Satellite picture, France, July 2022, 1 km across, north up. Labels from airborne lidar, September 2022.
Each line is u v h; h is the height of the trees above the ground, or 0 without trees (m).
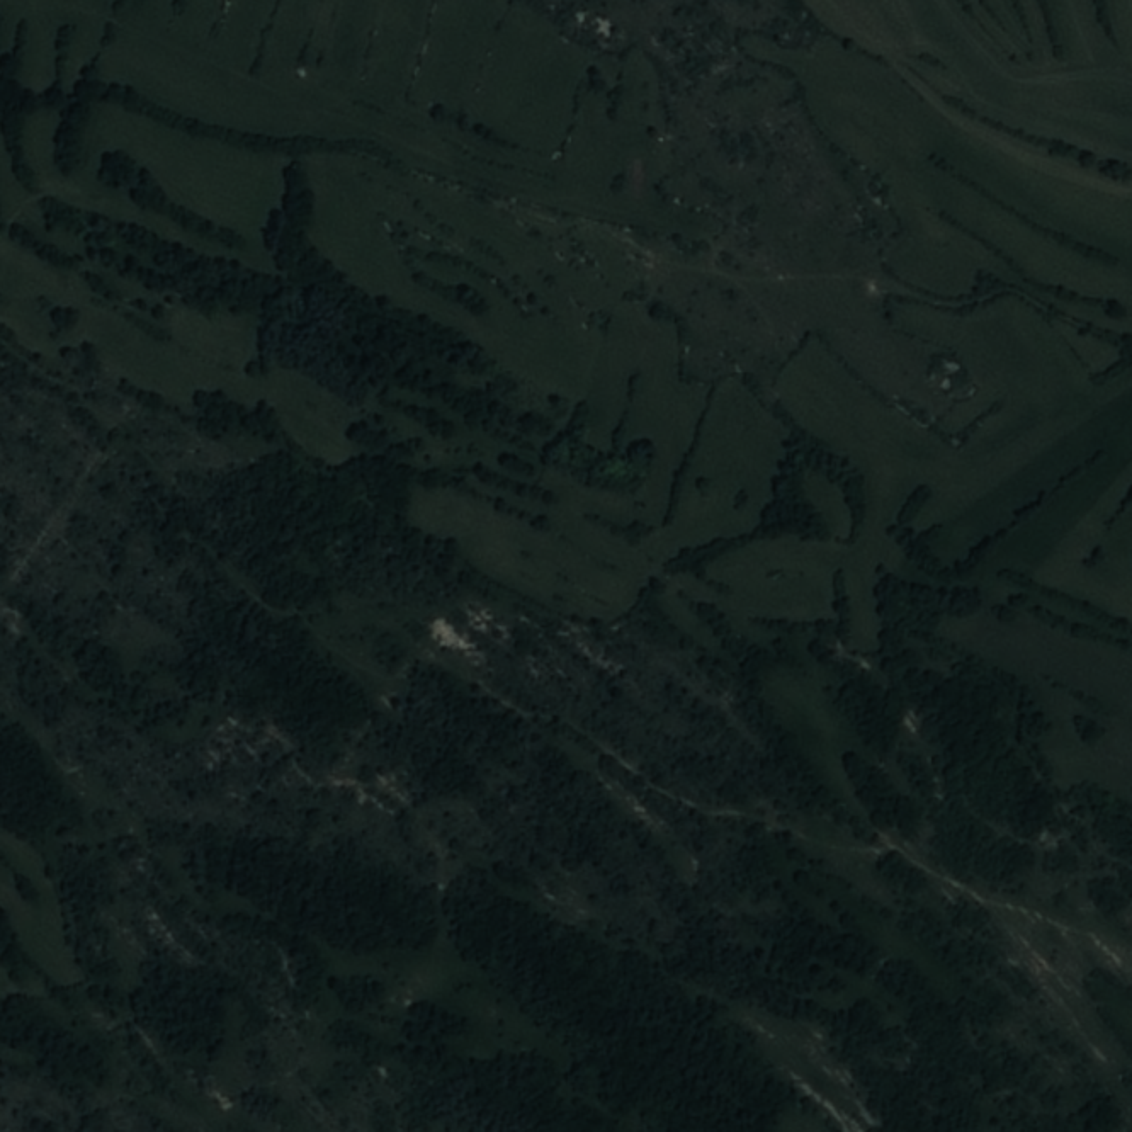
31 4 0
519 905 8
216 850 11
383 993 15
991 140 0
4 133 8
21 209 0
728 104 0
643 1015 14
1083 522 0
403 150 0
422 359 9
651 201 0
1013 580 6
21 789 18
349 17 0
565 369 0
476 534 0
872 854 0
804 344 6
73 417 8
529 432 15
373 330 12
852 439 0
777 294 0
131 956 0
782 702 0
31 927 0
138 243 18
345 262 0
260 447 0
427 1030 10
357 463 11
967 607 13
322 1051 0
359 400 17
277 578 8
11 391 7
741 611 0
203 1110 0
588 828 9
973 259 0
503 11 0
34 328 0
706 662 10
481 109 0
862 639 0
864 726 7
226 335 0
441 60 0
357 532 11
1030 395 0
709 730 6
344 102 0
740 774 8
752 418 0
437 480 9
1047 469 0
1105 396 0
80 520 10
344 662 0
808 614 0
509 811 9
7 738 6
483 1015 0
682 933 9
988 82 0
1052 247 0
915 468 0
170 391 0
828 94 0
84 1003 0
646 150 0
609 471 15
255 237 0
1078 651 0
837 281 0
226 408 12
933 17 0
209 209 0
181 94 0
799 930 11
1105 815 9
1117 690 0
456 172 0
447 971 0
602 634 9
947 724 7
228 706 8
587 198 0
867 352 0
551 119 0
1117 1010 0
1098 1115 9
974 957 6
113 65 0
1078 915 0
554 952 12
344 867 11
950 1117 8
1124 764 0
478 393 6
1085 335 12
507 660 6
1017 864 8
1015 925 0
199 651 11
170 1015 15
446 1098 10
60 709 6
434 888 6
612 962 8
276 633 11
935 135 0
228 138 7
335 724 8
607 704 10
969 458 0
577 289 0
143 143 0
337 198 0
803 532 7
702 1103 11
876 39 0
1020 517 13
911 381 0
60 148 7
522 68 0
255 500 7
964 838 8
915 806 8
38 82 0
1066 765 0
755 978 12
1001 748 11
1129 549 0
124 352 0
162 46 0
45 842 7
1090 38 0
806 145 0
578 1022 10
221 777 9
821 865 6
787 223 0
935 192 0
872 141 0
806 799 7
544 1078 11
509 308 0
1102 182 0
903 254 0
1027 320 0
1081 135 0
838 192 0
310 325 15
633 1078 9
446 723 8
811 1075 0
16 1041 10
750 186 0
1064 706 0
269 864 12
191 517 7
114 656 7
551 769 10
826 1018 10
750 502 7
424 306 0
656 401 0
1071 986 0
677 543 0
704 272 0
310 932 16
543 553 0
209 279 14
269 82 0
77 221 8
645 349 0
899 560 0
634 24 0
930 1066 6
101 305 6
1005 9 0
